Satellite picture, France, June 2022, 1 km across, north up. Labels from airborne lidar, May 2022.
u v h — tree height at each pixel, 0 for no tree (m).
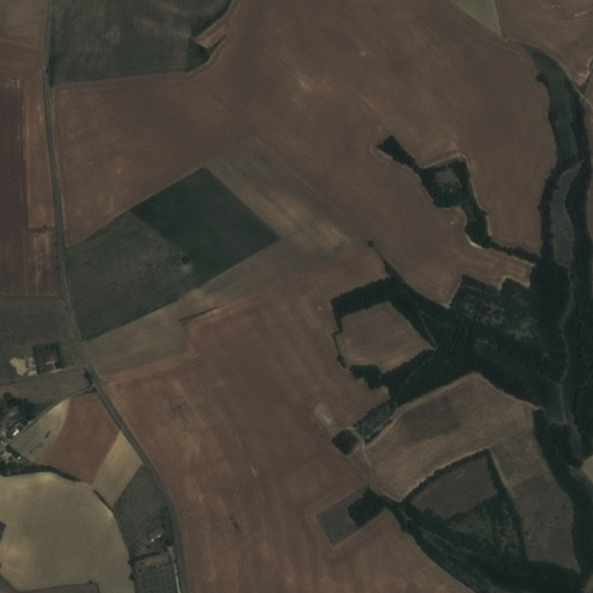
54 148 0
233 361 0
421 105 0
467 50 0
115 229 0
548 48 0
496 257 0
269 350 0
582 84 0
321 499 0
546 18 0
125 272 0
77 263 0
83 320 0
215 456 0
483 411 0
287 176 0
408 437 0
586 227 8
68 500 0
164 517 6
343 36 0
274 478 0
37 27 0
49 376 0
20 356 0
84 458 0
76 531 0
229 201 0
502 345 14
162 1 0
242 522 0
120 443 0
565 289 18
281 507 0
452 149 0
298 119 0
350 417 0
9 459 7
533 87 0
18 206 0
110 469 0
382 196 0
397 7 0
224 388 0
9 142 0
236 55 0
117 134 0
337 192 0
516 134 0
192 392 0
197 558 0
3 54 0
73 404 0
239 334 0
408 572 0
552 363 9
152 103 0
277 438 0
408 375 7
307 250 0
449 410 0
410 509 10
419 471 0
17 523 0
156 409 0
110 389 0
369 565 0
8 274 0
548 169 0
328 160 0
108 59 0
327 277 0
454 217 0
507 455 0
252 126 0
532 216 0
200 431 0
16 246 0
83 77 0
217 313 0
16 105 0
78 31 0
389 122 0
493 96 0
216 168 0
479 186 0
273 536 0
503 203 0
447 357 8
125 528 0
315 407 0
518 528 8
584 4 0
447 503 0
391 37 0
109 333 0
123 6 0
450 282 0
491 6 0
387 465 0
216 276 0
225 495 0
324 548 0
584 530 12
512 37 0
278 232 0
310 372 0
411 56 0
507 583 0
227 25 0
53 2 0
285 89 0
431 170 9
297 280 0
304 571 0
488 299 8
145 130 0
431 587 0
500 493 6
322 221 0
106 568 0
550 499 0
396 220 0
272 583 0
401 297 15
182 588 0
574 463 14
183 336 0
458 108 0
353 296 12
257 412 0
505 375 17
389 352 0
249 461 0
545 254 12
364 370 9
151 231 0
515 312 8
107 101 0
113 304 0
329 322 0
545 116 0
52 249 0
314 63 0
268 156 0
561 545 0
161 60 0
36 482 0
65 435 0
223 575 0
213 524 0
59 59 0
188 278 0
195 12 0
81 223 0
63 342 0
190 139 0
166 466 0
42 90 0
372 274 0
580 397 19
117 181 0
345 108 0
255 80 0
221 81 0
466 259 0
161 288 0
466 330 13
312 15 0
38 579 0
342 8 0
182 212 0
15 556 0
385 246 0
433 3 0
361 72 0
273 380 0
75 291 0
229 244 0
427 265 0
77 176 0
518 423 0
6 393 9
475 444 0
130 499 0
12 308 0
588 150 9
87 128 0
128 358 0
